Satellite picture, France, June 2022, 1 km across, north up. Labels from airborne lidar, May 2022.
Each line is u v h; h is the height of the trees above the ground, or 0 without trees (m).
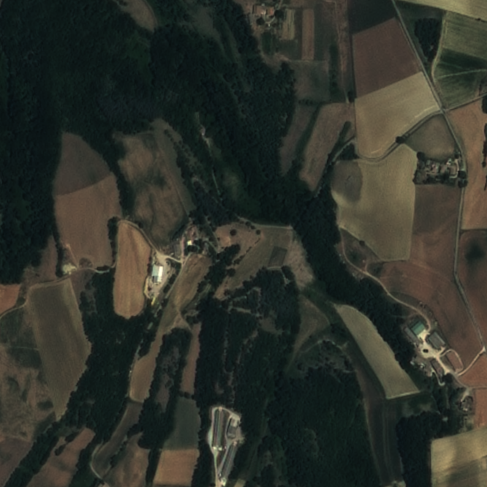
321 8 0
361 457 17
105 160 9
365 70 0
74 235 0
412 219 0
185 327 0
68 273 0
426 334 0
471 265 0
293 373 0
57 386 0
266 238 0
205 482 8
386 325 12
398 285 0
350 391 14
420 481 21
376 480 11
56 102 8
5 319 0
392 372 0
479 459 0
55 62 13
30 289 0
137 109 22
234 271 13
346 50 0
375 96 0
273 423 23
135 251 0
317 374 22
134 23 12
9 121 27
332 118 0
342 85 0
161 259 0
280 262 0
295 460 17
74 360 0
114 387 12
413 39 0
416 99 0
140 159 0
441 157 0
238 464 14
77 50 19
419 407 0
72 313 0
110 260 0
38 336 0
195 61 25
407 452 19
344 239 0
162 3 21
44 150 22
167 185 0
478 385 0
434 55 12
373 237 0
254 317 9
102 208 0
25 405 0
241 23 15
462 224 0
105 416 11
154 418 10
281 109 12
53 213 8
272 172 16
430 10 0
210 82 13
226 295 10
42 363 0
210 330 12
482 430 0
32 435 0
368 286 9
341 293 8
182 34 9
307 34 0
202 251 5
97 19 18
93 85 17
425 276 0
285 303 16
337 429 10
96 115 12
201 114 8
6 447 0
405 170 0
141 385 0
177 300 0
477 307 0
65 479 0
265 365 15
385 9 0
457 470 0
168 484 0
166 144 0
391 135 0
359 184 0
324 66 0
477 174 0
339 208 0
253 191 13
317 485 12
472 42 0
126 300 0
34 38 16
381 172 0
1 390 0
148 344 15
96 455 0
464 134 0
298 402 13
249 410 13
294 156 0
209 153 11
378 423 0
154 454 14
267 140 10
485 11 0
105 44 10
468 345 0
